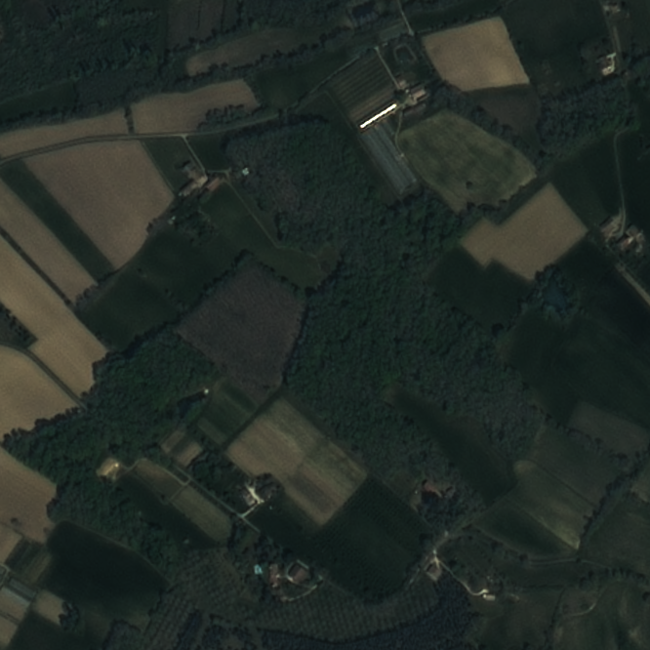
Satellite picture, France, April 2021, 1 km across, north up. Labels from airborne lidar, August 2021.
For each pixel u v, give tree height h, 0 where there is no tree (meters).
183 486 0
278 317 22
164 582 0
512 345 0
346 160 18
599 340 0
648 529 0
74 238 0
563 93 0
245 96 0
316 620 12
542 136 17
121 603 0
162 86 14
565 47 0
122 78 21
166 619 12
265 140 26
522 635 0
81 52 10
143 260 0
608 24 0
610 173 0
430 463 24
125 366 22
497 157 0
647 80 19
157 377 26
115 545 0
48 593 0
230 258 0
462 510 10
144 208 0
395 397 0
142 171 0
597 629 0
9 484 0
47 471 17
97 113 14
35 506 0
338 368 24
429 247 23
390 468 21
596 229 0
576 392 0
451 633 13
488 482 0
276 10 21
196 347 18
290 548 0
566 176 0
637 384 0
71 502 23
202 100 0
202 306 19
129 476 0
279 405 0
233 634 6
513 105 0
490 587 9
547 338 0
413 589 7
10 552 0
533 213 0
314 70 0
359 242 22
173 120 0
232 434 0
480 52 0
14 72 7
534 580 0
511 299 0
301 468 0
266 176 19
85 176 0
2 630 0
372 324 28
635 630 0
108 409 23
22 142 0
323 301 21
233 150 24
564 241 0
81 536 0
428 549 19
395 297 22
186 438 0
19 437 17
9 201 0
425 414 0
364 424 24
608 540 0
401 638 11
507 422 17
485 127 9
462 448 0
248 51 0
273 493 10
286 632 6
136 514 23
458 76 0
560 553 0
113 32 12
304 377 27
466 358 16
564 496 0
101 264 0
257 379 17
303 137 24
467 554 0
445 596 12
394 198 0
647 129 0
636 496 10
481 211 11
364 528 0
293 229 21
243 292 21
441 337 16
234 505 7
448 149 0
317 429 0
